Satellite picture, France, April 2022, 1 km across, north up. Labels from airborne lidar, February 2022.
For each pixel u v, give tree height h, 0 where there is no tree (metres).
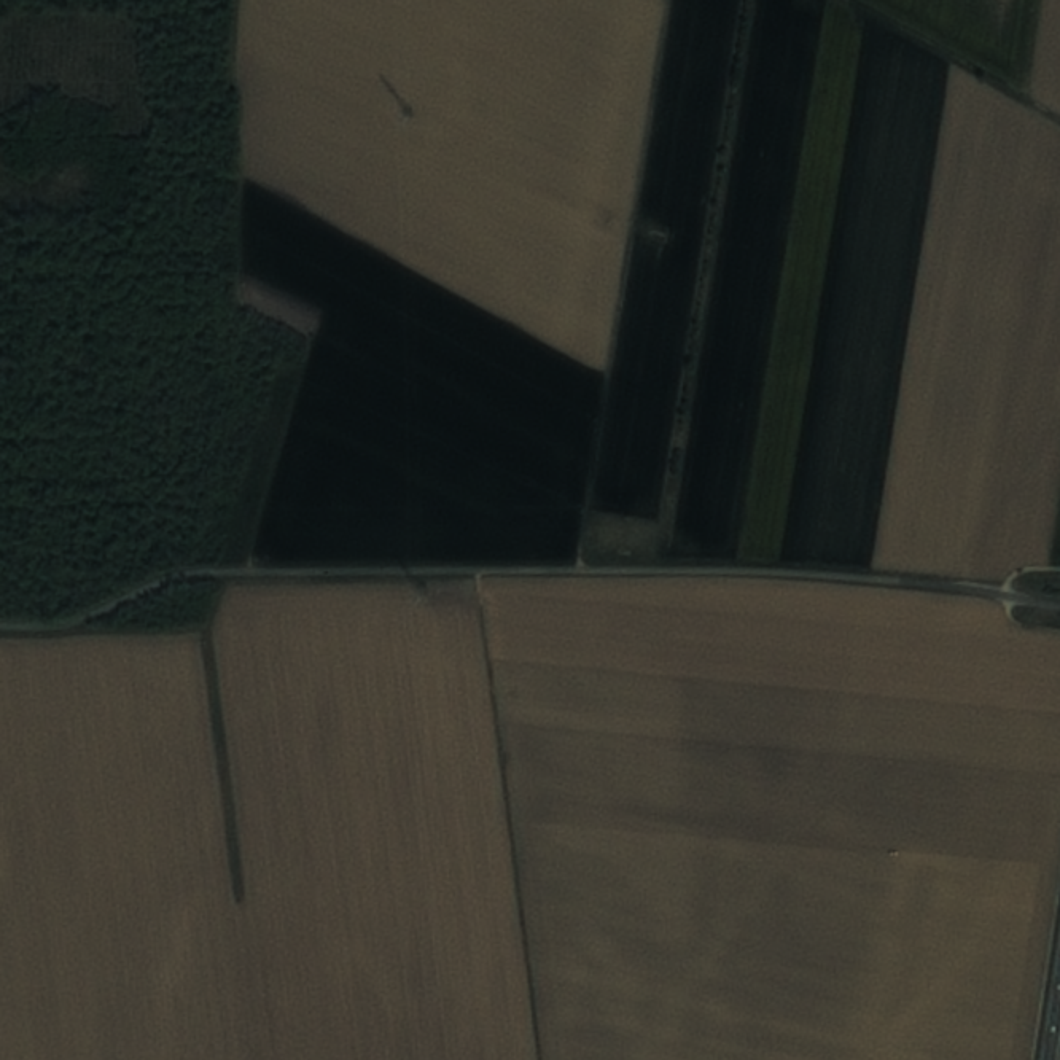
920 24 0
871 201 0
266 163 0
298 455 0
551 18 0
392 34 0
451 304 0
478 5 0
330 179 0
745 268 0
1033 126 0
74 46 0
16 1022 0
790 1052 0
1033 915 0
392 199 0
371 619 0
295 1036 0
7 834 0
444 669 0
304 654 0
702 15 0
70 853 0
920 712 0
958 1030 0
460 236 0
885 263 0
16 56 0
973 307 0
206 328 8
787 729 0
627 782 0
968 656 0
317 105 0
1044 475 0
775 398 0
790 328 0
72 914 0
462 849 0
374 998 0
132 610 9
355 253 0
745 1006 0
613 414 0
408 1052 0
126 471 13
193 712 0
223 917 0
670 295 0
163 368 9
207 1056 0
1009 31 0
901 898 0
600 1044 0
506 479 0
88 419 11
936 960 0
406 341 0
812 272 0
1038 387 0
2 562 12
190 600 11
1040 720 0
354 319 0
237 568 0
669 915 0
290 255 0
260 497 0
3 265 18
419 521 0
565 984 0
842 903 0
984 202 0
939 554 0
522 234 0
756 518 0
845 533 0
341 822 0
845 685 0
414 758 0
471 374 0
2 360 16
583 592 0
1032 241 0
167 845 0
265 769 0
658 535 0
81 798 0
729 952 0
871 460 0
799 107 0
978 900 0
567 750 0
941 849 0
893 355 0
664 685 0
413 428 0
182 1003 0
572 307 0
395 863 0
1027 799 0
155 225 12
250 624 0
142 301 12
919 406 0
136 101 0
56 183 0
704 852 0
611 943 0
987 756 0
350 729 0
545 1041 0
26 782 0
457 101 0
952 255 0
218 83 12
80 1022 0
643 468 0
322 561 0
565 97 0
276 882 0
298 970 0
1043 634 0
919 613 0
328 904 0
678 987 0
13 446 13
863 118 0
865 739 0
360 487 0
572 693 0
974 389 0
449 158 0
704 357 0
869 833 0
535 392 0
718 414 0
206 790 0
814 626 0
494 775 0
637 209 0
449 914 0
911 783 0
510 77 0
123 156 6
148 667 0
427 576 0
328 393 0
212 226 9
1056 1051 0
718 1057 0
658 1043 0
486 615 0
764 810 0
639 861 0
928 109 0
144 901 0
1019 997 0
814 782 0
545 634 0
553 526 0
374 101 0
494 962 0
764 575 0
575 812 0
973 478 0
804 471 0
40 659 0
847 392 0
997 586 0
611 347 0
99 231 10
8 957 0
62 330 13
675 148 0
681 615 0
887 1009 0
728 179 0
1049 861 0
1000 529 0
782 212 0
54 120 6
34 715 0
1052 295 0
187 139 12
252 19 0
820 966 0
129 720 0
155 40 14
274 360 10
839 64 0
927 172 0
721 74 0
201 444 12
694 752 0
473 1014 0
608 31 0
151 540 10
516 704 0
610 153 0
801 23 0
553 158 0
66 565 13
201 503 12
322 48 0
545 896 0
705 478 0
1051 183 0
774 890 0
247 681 0
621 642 0
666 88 0
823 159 0
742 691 0
